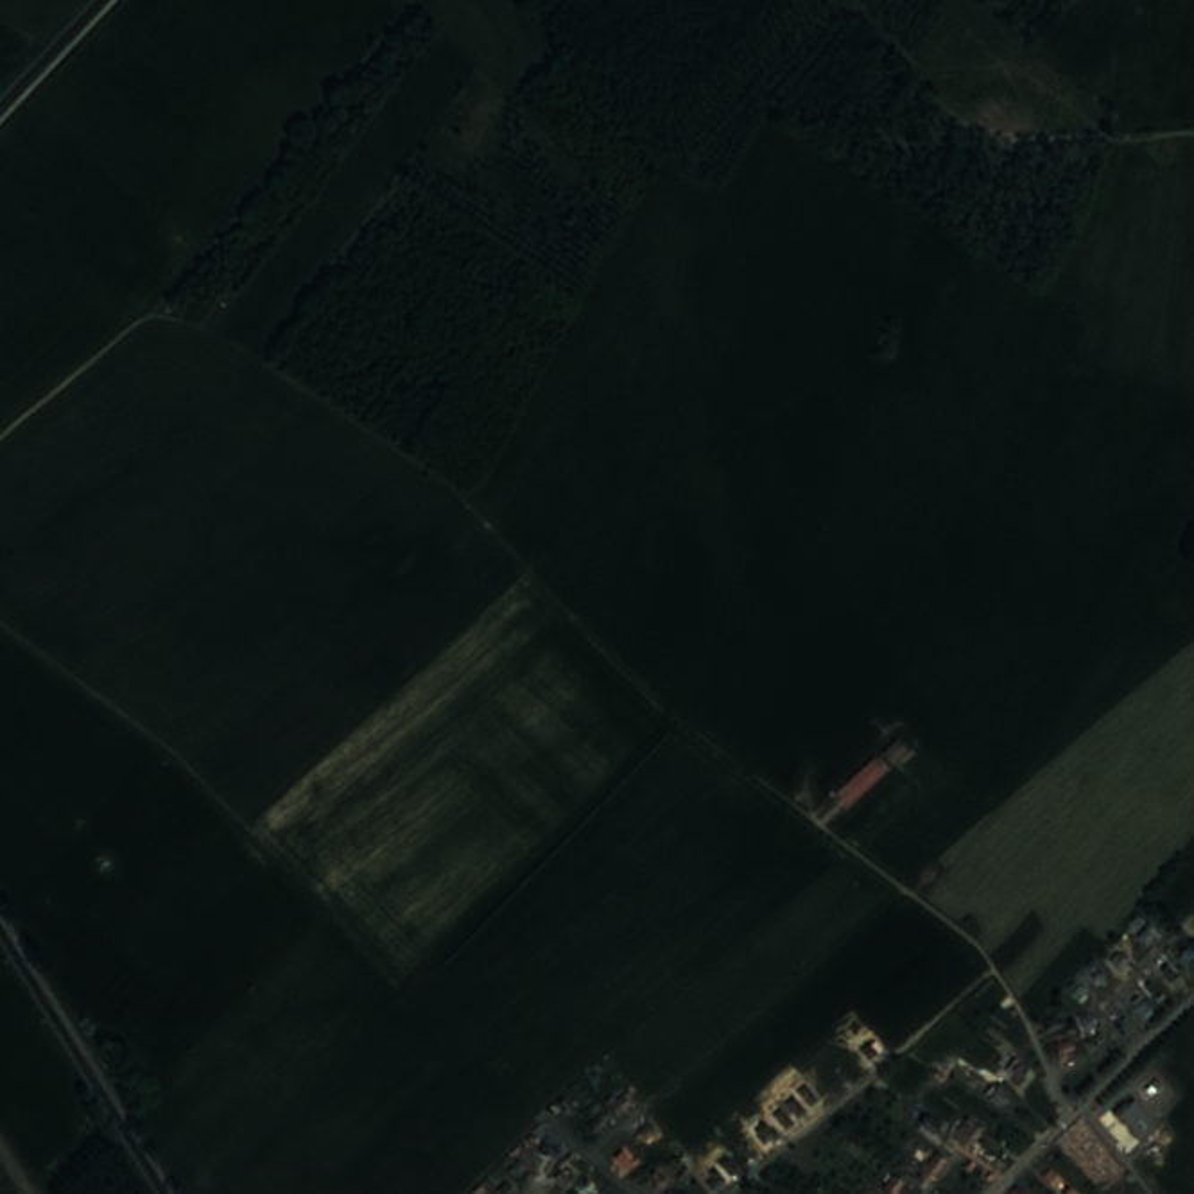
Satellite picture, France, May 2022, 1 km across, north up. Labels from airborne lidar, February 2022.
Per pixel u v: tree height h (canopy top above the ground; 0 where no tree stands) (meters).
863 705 0
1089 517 0
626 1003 0
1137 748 0
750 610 0
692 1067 0
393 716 0
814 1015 0
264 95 0
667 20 17
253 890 0
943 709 0
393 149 0
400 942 0
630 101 20
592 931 0
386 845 0
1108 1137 0
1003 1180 0
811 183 0
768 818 0
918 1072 0
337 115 15
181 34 0
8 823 0
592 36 17
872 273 0
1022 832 0
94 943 0
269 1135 0
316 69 0
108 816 0
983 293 0
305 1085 0
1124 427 0
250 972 0
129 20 0
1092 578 0
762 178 0
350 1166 0
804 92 12
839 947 0
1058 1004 10
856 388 0
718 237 0
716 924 0
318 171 12
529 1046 0
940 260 0
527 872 0
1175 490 0
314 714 0
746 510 0
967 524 0
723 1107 0
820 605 0
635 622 0
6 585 0
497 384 17
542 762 0
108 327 0
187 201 0
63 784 0
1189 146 0
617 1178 0
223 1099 0
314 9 0
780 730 0
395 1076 0
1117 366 0
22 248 0
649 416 0
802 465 0
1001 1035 0
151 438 0
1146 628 0
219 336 0
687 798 0
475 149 0
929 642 0
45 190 0
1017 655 0
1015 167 21
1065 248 14
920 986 0
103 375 0
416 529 0
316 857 0
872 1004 0
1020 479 0
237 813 0
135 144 0
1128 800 0
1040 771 0
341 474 0
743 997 0
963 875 0
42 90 0
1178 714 0
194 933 0
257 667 0
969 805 0
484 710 0
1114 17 0
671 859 0
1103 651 0
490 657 0
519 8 18
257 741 0
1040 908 0
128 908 0
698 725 0
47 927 0
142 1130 24
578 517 0
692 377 0
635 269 0
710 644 0
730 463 0
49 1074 0
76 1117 0
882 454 0
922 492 0
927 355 0
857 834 0
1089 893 0
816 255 0
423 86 0
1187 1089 0
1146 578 0
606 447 0
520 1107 0
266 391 0
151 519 0
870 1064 0
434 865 0
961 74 0
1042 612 0
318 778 0
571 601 0
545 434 0
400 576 0
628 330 0
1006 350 0
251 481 0
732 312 0
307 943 0
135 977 0
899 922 0
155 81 0
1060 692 0
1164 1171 0
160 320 0
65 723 0
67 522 0
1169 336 0
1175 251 0
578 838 0
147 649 0
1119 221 0
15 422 0
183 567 0
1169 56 0
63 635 0
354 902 0
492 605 0
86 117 0
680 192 0
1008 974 0
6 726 0
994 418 0
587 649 0
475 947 0
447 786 0
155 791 0
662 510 0
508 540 0
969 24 0
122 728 0
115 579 0
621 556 0
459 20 0
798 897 0
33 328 0
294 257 0
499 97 0
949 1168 0
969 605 0
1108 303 0
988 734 0
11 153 0
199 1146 0
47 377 0
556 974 0
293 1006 0
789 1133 0
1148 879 0
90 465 0
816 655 0
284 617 0
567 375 0
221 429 0
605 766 0
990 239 21
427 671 0
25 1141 0
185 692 0
